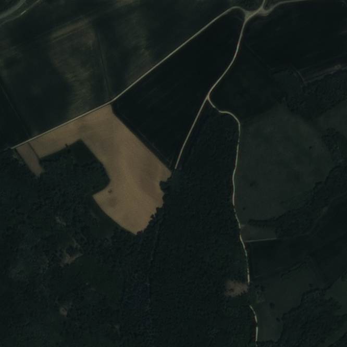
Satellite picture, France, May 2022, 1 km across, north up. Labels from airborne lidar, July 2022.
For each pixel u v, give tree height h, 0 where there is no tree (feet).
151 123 0
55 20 0
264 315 0
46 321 52
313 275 0
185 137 0
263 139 0
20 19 0
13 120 0
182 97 0
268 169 0
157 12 0
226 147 31
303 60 0
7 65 0
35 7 0
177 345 53
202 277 65
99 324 66
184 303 47
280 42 0
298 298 0
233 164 26
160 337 65
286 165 0
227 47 0
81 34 0
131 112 0
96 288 31
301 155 0
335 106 34
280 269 0
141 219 0
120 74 0
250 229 0
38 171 0
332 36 0
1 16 0
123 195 0
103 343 54
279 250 0
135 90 0
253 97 0
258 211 0
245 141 0
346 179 32
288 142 0
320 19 0
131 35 0
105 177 37
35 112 0
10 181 45
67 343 51
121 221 0
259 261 0
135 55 0
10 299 47
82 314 52
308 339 38
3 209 54
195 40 0
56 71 0
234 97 0
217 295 49
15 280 46
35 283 65
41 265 79
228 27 0
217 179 37
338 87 60
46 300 64
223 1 0
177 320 64
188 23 0
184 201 62
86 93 0
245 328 42
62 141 0
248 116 0
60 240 61
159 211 68
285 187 0
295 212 20
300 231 34
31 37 0
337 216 0
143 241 72
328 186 40
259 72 0
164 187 51
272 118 0
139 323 66
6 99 0
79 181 74
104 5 0
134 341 73
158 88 0
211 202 45
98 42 0
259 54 0
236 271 63
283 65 0
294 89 52
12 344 53
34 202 35
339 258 0
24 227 64
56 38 0
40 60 0
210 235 51
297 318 50
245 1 23
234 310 49
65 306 33
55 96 0
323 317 46
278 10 0
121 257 65
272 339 0
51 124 0
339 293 0
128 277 67
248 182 0
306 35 0
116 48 0
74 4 0
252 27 0
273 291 0
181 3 0
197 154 59
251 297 59
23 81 0
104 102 0
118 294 29
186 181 53
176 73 0
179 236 54
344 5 0
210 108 0
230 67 0
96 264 31
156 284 75
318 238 0
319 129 0
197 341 56
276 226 35
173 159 0
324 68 0
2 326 45
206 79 0
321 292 42
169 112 0
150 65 0
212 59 0
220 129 32
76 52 0
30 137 0
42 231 55
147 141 0
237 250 54
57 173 54
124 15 0
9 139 0
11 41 0
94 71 0
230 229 52
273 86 0
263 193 0
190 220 50
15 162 45
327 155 0
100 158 0
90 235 82
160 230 42
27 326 60
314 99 64
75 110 0
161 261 88
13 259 61
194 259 57
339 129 0
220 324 39
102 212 0
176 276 56
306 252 0
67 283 38
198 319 46
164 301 64
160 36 0
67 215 97
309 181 0
